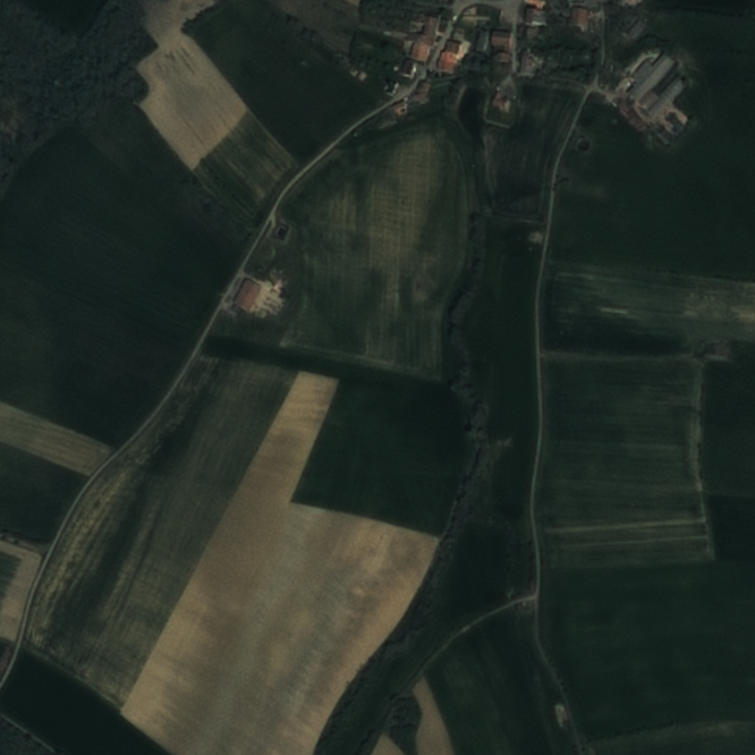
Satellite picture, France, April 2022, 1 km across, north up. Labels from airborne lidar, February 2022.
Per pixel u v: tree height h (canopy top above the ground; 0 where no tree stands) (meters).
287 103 0
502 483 0
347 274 0
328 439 0
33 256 0
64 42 27
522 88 0
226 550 0
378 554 0
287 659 0
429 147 0
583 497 0
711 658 0
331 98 0
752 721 0
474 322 0
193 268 0
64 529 0
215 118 0
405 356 0
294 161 0
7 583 0
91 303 0
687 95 0
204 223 0
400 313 0
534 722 0
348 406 0
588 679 0
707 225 0
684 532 0
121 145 0
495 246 0
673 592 0
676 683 0
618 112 0
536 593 0
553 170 0
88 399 0
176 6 0
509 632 0
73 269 0
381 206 0
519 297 0
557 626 0
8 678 0
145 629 0
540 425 0
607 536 0
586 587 0
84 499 0
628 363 0
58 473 0
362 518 0
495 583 0
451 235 0
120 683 0
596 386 0
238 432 0
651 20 0
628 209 0
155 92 0
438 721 0
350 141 0
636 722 0
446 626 0
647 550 0
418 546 0
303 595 0
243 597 0
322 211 0
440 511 0
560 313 0
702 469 0
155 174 0
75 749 0
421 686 0
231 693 0
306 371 0
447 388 0
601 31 0
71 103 20
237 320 0
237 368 0
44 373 0
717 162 0
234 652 0
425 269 0
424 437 0
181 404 0
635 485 0
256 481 0
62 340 0
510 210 0
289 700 0
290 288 0
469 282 0
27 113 0
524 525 0
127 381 0
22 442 0
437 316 0
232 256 0
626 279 0
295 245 0
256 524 0
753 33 0
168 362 0
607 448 0
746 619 0
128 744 0
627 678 0
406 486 0
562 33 0
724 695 0
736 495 0
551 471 0
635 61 0
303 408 0
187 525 0
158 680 0
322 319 0
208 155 0
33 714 0
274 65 0
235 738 0
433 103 0
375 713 0
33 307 0
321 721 0
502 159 0
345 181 0
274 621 0
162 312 0
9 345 0
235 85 0
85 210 0
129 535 0
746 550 0
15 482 0
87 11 0
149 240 0
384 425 0
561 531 0
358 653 0
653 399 0
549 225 0
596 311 0
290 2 0
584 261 0
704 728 0
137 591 0
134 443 0
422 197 0
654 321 0
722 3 0
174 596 0
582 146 0
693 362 0
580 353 0
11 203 0
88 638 0
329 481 0
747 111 0
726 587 0
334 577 0
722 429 0
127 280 0
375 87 0
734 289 0
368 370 0
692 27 0
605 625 0
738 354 0
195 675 0
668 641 0
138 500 0
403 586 0
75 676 0
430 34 0
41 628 0
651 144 0
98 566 0
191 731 0
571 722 0
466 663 0
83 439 0
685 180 0
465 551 0
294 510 0
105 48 22
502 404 0
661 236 0
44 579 0
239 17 0
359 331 0
